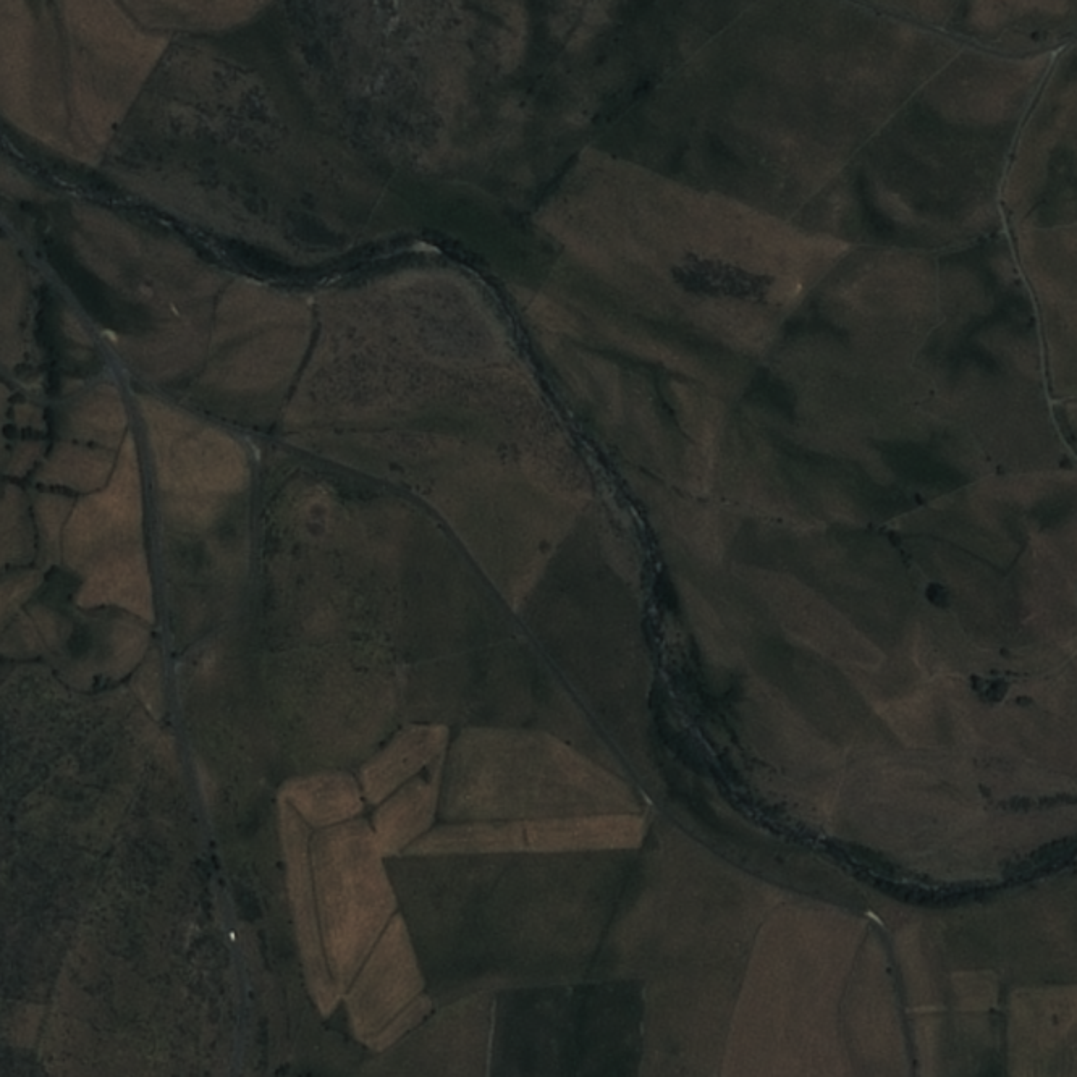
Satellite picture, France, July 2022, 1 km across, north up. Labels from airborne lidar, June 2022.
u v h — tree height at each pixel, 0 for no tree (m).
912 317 0
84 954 0
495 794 0
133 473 0
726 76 0
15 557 0
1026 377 0
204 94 0
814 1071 0
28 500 0
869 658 0
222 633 0
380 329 0
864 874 10
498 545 0
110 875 0
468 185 0
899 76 0
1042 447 0
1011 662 0
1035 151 0
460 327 0
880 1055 0
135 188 0
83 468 0
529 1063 0
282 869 7
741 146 0
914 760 0
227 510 0
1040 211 0
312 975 0
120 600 0
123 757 0
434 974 0
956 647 0
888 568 0
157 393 0
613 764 0
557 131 0
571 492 0
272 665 0
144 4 0
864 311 0
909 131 0
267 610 0
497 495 0
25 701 0
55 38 0
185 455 0
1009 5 0
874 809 0
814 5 0
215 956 0
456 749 0
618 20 0
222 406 0
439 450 0
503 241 0
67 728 0
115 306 0
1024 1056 0
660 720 6
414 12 0
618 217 0
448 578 0
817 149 0
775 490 0
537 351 0
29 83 0
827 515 0
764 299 0
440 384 0
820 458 0
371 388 0
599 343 0
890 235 0
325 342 0
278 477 0
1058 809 0
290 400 0
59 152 0
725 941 0
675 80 0
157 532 0
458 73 0
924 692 0
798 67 0
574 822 0
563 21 0
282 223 0
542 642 0
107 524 0
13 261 0
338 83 0
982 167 0
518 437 0
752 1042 0
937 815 0
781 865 0
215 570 0
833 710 0
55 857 0
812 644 0
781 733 0
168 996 0
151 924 0
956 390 0
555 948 0
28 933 0
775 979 0
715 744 7
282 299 0
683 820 0
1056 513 0
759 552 0
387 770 0
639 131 0
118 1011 0
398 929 0
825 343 0
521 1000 0
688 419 0
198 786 0
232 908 0
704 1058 0
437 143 0
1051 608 0
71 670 0
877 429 0
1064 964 0
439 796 0
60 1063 0
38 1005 0
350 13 0
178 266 0
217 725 0
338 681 0
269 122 0
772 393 0
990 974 0
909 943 0
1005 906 0
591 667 0
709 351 0
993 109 0
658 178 0
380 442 0
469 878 0
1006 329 0
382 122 0
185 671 0
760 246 0
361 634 0
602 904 0
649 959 0
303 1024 0
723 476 0
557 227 0
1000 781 0
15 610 0
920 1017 0
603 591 0
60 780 0
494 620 0
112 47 0
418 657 0
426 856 0
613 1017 0
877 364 0
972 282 0
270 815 0
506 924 0
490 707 0
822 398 0
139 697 0
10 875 0
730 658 0
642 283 0
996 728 0
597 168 0
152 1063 0
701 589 0
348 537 0
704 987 0
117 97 0
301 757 0
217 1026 0
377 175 0
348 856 0
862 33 0
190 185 0
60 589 0
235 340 0
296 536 0
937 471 0
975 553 0
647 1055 0
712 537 0
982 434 0
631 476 0
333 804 0
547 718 0
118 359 0
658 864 0
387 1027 0
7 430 9
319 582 0
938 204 0
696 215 0
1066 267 0
